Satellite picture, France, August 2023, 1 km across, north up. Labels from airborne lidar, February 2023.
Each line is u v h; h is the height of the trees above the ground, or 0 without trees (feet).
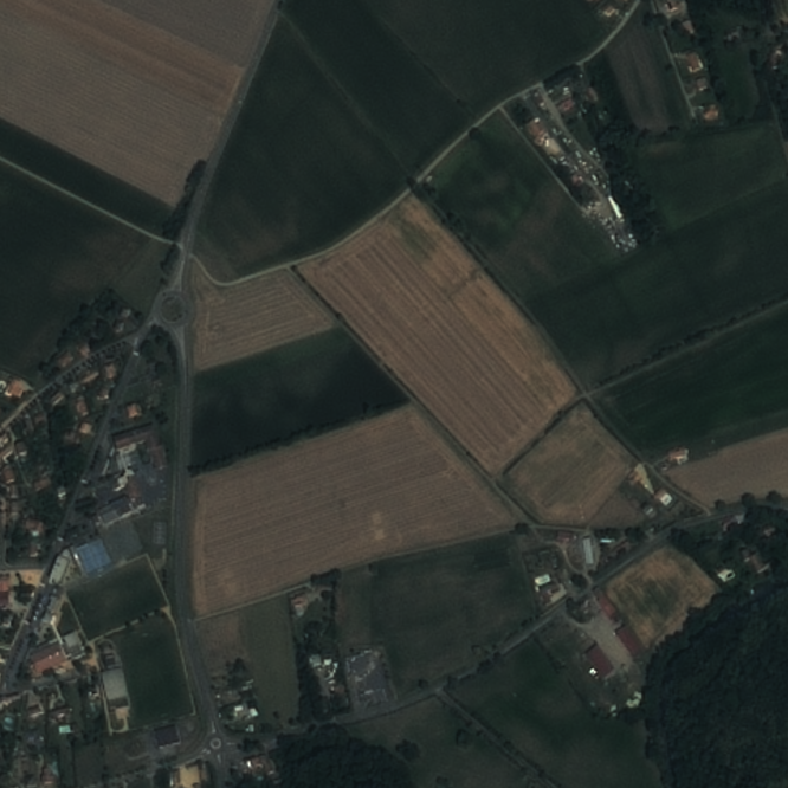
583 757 0
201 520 0
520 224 0
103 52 0
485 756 0
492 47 0
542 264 0
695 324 0
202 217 0
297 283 0
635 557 0
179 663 0
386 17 0
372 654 0
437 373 0
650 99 0
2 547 0
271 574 0
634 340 0
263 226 0
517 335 0
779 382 0
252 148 0
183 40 0
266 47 0
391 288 0
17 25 0
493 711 0
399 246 0
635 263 0
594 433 0
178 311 0
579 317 0
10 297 0
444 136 0
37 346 0
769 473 0
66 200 0
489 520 0
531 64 0
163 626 0
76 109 0
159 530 0
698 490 0
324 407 0
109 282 0
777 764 74
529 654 0
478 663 0
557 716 0
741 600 25
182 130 0
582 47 0
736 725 71
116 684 0
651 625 0
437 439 0
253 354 0
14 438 0
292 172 0
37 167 0
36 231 0
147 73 0
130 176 0
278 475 0
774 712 73
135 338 0
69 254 0
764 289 0
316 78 0
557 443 0
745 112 0
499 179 0
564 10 0
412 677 0
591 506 0
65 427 44
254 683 0
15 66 0
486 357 0
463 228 48
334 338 0
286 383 0
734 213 0
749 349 0
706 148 0
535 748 0
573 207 0
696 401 0
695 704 63
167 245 0
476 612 0
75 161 0
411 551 0
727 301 0
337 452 0
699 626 77
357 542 0
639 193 38
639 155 0
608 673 0
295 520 0
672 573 0
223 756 0
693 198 0
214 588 0
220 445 0
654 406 0
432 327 0
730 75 0
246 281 0
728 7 61
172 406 0
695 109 0
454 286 0
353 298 0
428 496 0
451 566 0
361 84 0
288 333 0
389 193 0
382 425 0
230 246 0
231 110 0
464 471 0
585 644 0
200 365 0
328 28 0
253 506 0
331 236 0
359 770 83
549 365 0
